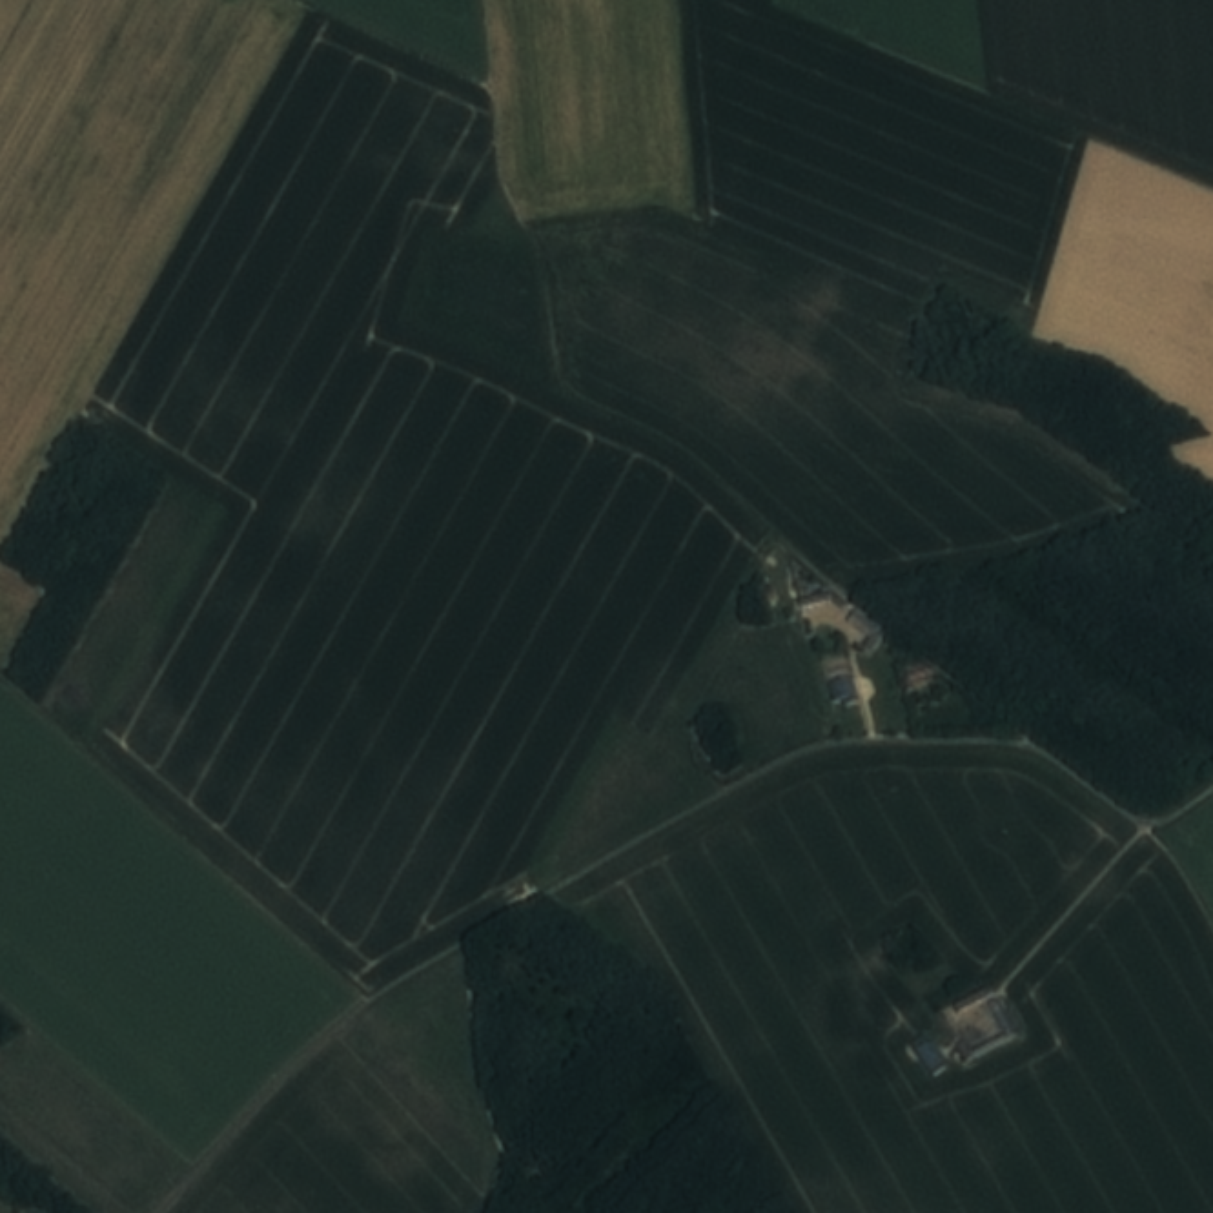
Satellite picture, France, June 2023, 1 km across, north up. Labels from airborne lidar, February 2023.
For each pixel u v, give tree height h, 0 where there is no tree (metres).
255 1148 0
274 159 0
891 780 0
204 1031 0
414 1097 0
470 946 17
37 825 0
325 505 0
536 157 0
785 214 0
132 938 0
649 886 0
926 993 0
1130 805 14
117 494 13
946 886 0
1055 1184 0
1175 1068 0
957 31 0
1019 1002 0
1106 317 0
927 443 0
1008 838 0
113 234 0
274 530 0
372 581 0
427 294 0
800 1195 0
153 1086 0
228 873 0
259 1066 0
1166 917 0
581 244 0
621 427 0
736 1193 16
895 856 0
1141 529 20
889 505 0
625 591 0
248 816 0
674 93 0
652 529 0
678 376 0
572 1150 19
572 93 0
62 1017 0
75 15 0
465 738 0
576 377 0
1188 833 0
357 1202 0
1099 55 0
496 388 0
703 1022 0
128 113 0
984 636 22
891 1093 0
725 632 0
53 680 11
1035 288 0
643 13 0
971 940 0
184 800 0
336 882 0
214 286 0
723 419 0
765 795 0
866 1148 0
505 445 0
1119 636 15
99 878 0
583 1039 19
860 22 0
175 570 0
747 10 0
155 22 0
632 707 0
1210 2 0
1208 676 19
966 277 0
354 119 0
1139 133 0
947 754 0
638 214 0
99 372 0
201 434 0
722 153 0
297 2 0
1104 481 0
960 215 0
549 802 0
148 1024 0
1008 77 0
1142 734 21
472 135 0
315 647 0
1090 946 0
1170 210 0
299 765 0
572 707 0
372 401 0
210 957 0
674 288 0
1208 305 0
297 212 0
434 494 0
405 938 0
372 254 0
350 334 0
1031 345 17
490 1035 14
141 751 0
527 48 0
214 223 0
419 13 0
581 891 0
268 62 0
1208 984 0
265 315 0
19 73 0
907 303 0
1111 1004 0
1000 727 13
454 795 0
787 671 0
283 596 0
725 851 0
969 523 0
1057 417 13
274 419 0
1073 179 0
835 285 0
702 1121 17
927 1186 0
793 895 0
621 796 0
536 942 18
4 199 0
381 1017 0
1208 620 19
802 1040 0
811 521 0
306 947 0
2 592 0
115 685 0
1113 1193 0
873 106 0
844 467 0
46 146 0
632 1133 17
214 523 0
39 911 0
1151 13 0
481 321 0
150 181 0
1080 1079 0
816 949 0
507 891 0
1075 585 21
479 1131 0
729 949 0
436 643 0
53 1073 0
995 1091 0
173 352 0
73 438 14
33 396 0
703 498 0
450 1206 0
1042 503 0
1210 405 0
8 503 0
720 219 0
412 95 0
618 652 0
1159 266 0
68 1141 0
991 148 0
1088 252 0
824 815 0
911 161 0
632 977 18
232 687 0
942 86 0
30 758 0
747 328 0
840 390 0
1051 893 0
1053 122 0
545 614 0
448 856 0
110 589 11
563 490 0
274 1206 0
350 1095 0
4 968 0
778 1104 0
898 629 20
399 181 0
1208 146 0
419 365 0
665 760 0
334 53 0
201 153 0
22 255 0
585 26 0
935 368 18
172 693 0
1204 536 23
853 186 0
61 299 0
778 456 0
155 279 0
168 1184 0
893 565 0
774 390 0
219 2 0
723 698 0
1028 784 0
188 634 0
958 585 18
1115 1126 0
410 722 0
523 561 0
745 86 0
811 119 0
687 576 0
